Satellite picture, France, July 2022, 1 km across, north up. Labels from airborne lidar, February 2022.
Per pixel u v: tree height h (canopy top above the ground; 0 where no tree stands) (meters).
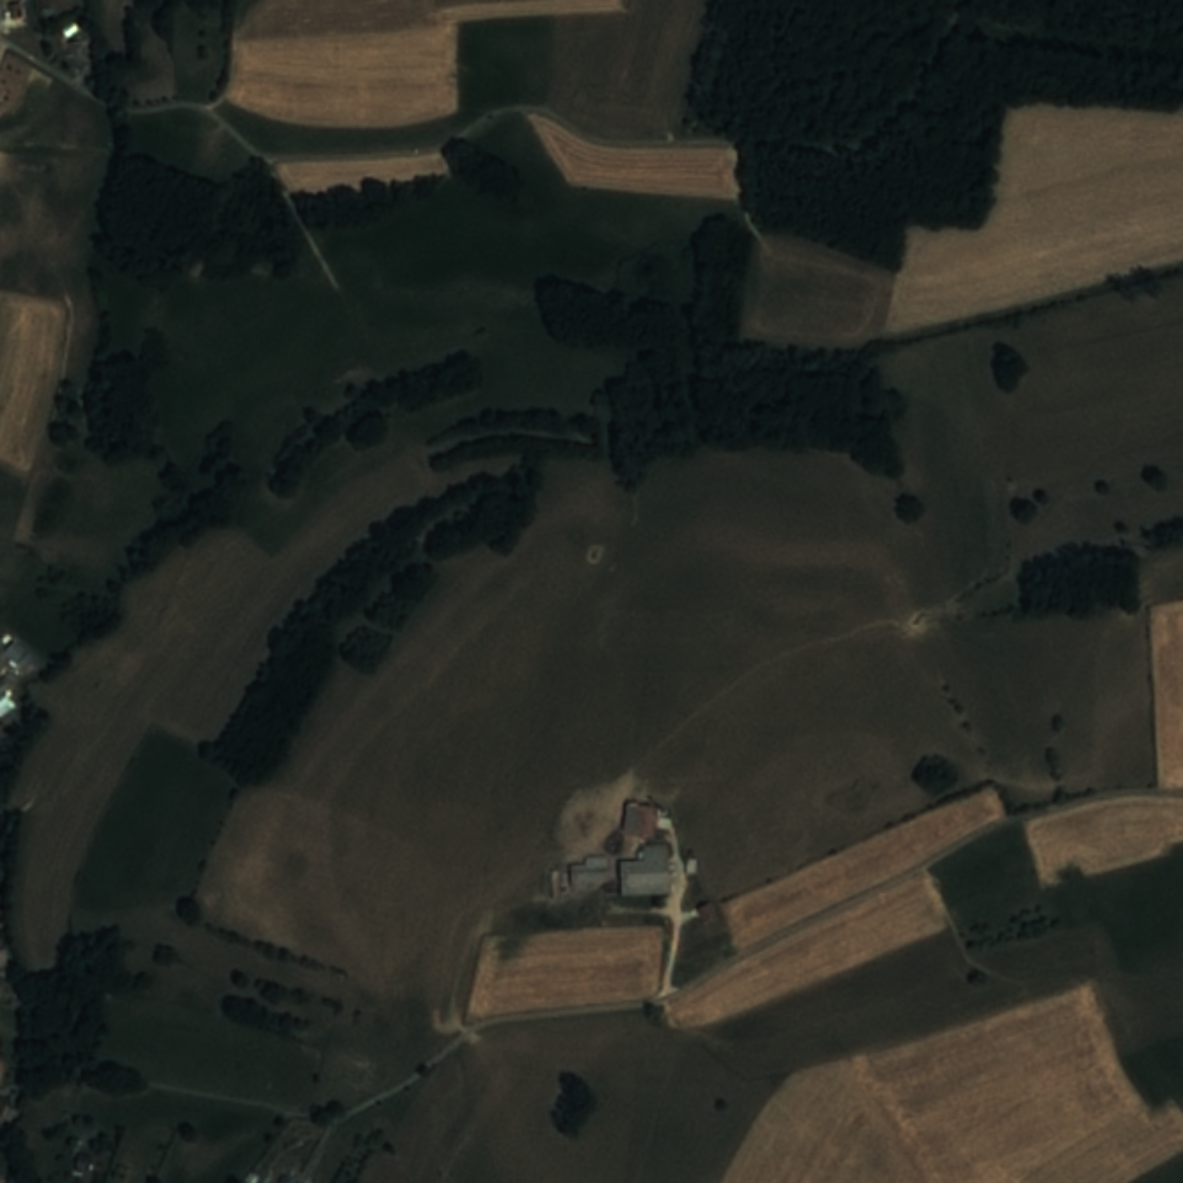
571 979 0
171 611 0
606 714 0
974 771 0
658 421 7
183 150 0
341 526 0
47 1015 14
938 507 0
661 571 0
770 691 0
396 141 0
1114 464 0
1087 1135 0
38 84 0
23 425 0
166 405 0
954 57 26
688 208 0
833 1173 0
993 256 0
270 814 0
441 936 0
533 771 0
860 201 20
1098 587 23
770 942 0
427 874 0
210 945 0
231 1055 0
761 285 0
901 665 0
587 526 0
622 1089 0
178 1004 0
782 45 21
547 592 0
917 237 0
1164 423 0
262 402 0
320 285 0
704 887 0
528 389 0
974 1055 0
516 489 21
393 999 0
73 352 0
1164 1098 0
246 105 0
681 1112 0
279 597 0
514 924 0
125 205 29
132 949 7
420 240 0
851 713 0
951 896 0
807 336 0
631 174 0
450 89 0
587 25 0
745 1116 0
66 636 0
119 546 0
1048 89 25
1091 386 0
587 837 0
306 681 9
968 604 0
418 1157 0
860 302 0
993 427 0
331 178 0
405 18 0
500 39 0
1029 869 0
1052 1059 0
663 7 0
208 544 0
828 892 0
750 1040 0
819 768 0
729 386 23
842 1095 0
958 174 23
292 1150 0
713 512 0
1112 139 0
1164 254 0
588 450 9
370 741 0
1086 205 0
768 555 0
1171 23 22
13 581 0
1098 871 0
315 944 0
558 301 28
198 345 0
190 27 0
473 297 0
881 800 0
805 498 0
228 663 0
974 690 0
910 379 0
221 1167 0
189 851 0
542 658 0
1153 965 0
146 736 0
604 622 0
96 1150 8
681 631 0
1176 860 0
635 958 0
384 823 0
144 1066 0
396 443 0
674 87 0
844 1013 0
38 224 0
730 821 0
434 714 0
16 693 0
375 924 0
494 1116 0
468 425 10
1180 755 0
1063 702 0
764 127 19
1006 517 0
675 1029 0
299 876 0
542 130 0
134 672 0
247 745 11
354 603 21
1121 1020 0
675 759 0
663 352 8
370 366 0
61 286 0
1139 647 0
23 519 0
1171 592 0
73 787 0
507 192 24
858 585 0
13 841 12
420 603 6
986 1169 0
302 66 0
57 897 0
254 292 0
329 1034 0
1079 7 20
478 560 0
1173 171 0
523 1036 0
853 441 23
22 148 0
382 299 0
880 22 23
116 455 17
